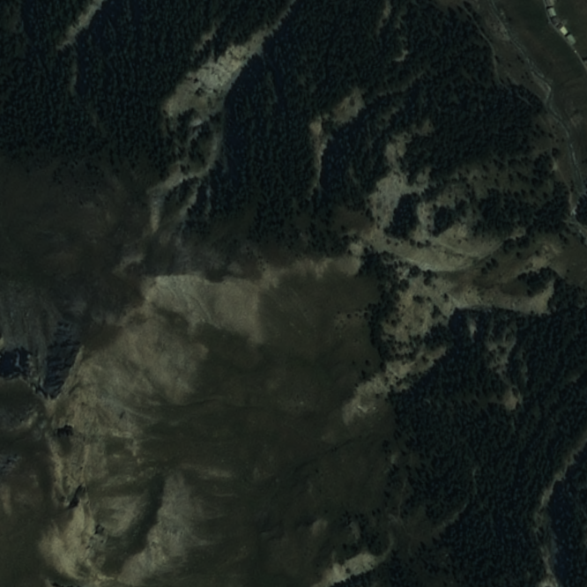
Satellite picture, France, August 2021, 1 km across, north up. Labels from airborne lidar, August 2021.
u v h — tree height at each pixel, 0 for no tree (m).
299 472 0
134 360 0
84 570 0
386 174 13
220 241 0
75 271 0
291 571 0
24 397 0
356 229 0
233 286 0
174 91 14
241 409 0
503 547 12
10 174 0
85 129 8
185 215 0
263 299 0
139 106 14
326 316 0
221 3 11
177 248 0
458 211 7
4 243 0
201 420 0
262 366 0
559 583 0
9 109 11
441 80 17
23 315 0
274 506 0
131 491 0
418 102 19
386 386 0
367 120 11
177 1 16
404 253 0
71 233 0
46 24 15
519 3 0
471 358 22
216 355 0
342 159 8
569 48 0
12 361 0
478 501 13
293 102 16
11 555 0
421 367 0
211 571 0
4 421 0
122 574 0
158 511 0
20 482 0
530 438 10
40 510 0
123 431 0
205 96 0
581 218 12
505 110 18
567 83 0
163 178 10
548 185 0
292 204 11
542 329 22
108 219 0
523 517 20
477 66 18
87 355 0
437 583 0
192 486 0
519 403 8
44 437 0
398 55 16
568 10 0
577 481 13
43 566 0
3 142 7
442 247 0
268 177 11
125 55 12
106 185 0
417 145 17
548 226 14
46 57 20
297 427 0
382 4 19
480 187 0
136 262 0
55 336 0
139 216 0
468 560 11
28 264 0
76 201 0
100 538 0
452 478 14
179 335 0
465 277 0
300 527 0
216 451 0
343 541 0
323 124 17
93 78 15
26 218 0
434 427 13
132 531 0
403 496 0
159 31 19
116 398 0
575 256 0
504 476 20
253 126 19
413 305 0
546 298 0
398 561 7
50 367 0
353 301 0
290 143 12
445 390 11
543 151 0
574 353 25
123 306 0
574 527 15
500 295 0
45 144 8
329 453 0
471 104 15
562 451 17
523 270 0
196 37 12
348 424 0
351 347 0
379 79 21
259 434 0
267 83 17
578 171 0
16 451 0
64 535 0
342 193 13
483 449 27
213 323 0
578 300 9
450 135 21
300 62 7
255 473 0
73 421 0
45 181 0
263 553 0
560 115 0
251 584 0
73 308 0
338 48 22
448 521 0
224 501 0
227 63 0
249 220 0
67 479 0
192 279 0
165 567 0
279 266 0
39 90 8
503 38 0
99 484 0
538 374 20
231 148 9
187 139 11
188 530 0
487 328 9
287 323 0
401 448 0
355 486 0
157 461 0
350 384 0
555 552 0
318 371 0
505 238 0
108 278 0
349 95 17
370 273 7
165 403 0
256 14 22
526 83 0
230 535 0
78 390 0
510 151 17
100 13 15
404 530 0
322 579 0
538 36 0
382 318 17
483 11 0
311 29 20
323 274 0
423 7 25
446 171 16
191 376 0
